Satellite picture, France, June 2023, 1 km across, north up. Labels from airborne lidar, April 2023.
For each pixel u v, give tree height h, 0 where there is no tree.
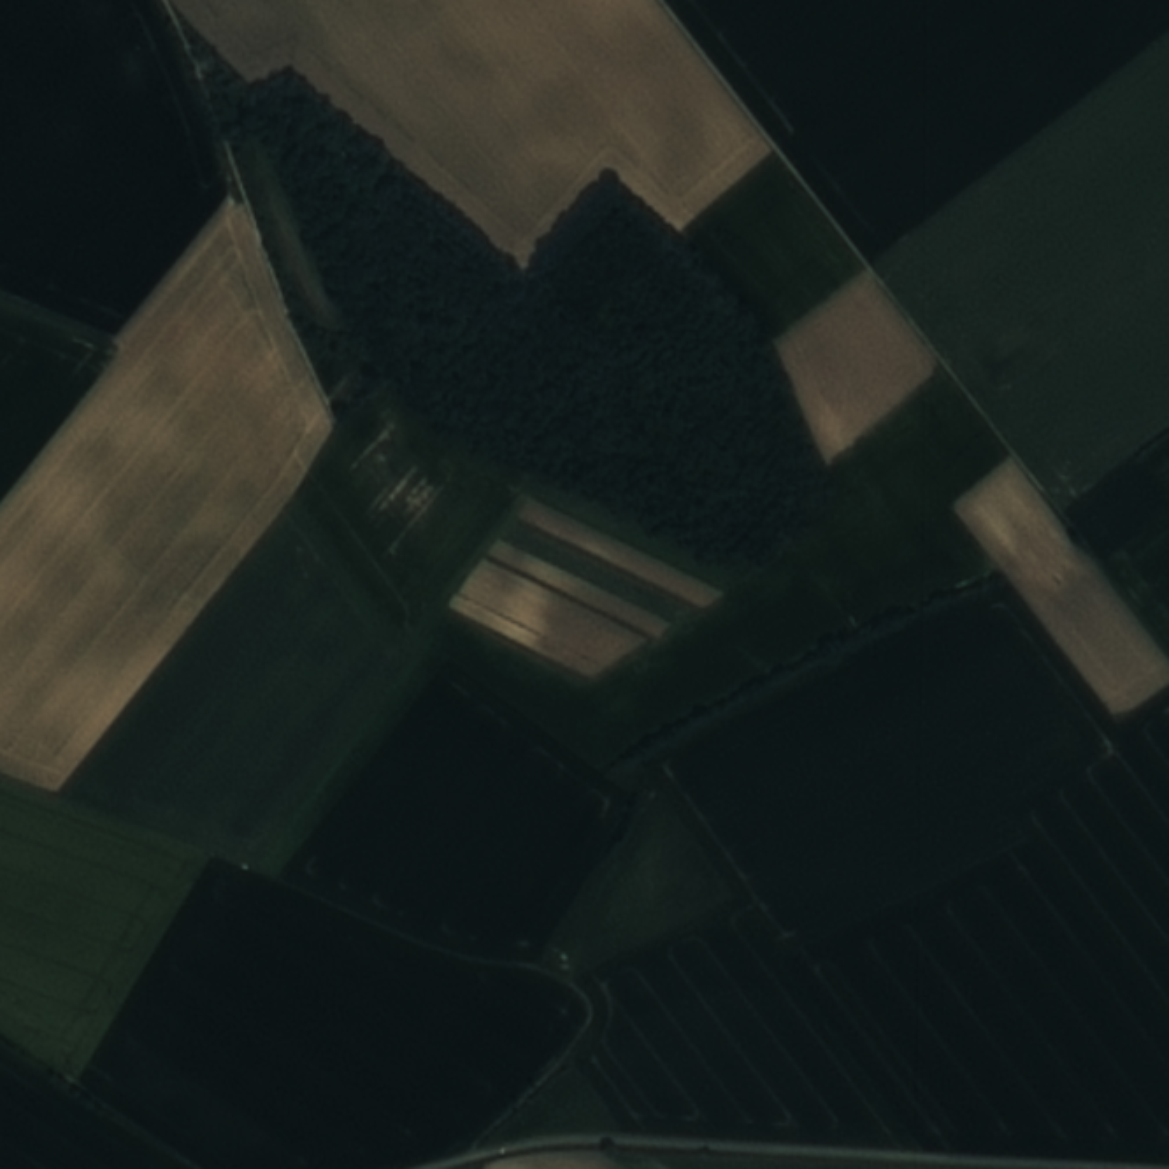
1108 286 0
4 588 0
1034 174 0
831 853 0
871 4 0
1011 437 0
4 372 0
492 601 0
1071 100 0
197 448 0
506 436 14
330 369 0
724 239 0
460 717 0
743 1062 0
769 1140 0
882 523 0
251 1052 0
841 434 0
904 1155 0
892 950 0
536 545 0
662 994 0
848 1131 0
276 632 0
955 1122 0
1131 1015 0
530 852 0
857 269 0
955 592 7
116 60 0
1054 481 0
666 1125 0
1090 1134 0
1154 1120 0
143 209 0
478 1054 0
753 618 0
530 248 0
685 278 21
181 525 0
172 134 0
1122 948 0
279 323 0
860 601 0
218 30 0
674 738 10
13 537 0
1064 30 0
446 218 14
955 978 0
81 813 0
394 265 20
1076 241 0
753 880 0
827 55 0
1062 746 0
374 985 0
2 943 0
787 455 15
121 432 0
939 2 0
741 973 0
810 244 0
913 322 0
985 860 0
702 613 0
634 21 0
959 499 0
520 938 0
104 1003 0
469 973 0
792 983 0
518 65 0
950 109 0
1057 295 0
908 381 0
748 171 0
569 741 0
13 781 0
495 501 0
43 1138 0
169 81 0
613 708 0
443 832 0
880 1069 0
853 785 0
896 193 0
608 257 23
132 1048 0
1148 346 0
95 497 0
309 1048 0
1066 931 0
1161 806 0
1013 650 0
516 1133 0
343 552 0
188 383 0
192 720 0
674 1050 0
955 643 0
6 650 0
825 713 0
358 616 0
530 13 0
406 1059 0
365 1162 0
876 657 0
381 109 0
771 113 0
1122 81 0
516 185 0
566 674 0
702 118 0
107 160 0
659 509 13
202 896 0
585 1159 0
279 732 0
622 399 12
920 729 0
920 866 0
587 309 19
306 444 0
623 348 20
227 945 0
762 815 0
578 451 11
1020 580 0
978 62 0
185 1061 0
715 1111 0
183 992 0
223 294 0
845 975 0
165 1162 0
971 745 0
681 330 20
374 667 0
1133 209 0
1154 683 0
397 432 0
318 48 0
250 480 0
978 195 0
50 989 0
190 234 0
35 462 0
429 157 0
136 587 0
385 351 18
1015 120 0
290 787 0
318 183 17
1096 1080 0
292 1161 0
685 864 0
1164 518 0
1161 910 0
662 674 0
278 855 0
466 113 0
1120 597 0
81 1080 0
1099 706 0
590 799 0
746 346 17
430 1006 0
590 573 0
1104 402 0
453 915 0
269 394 0
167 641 0
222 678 0
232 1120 0
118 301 0
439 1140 0
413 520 0
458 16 0
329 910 0
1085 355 0
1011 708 0
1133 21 0
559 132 0
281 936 0
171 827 0
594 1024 0
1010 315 0
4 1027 0
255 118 16
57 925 0
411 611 0
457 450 0
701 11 0
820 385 0
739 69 0
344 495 0
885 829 0
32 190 0
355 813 0
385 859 0
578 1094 0
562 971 0
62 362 0
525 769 0
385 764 0
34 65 0
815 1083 0
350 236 18
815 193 0
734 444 12
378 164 17
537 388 7
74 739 0
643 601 0
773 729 0
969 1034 0
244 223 0
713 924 0
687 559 0
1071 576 0
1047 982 0
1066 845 0
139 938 0
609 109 0
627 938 0
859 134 0
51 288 0
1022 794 0
